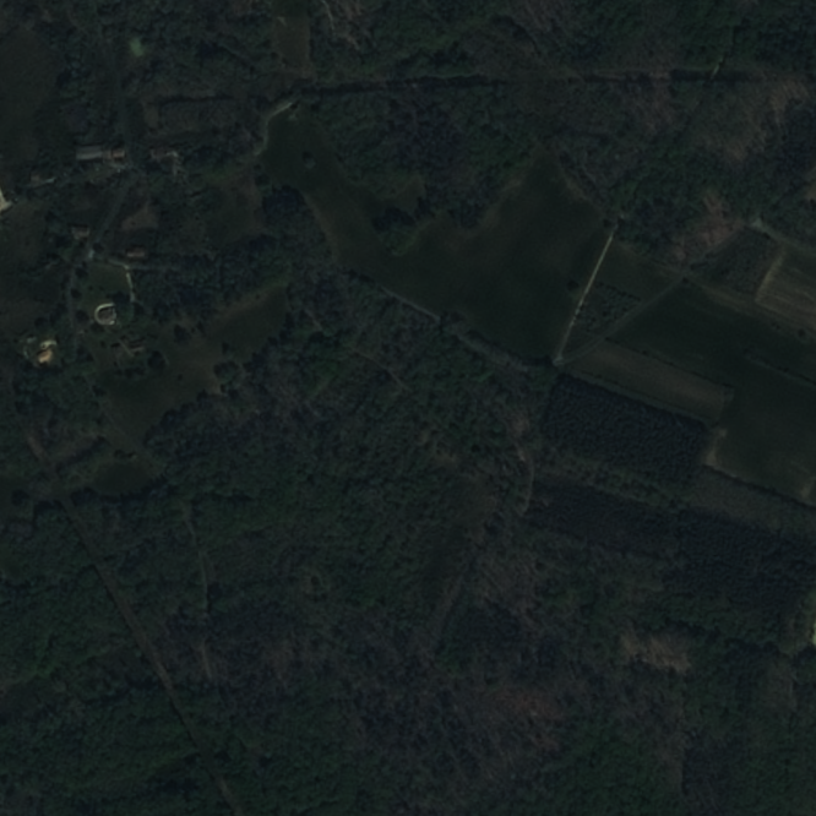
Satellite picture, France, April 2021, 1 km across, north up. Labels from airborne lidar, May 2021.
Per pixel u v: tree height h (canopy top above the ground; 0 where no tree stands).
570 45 15
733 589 23
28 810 18
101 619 26
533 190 0
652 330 0
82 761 23
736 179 21
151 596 24
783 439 0
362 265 0
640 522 7
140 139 7
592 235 0
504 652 19
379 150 18
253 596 20
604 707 13
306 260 18
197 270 22
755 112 28
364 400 7
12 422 20
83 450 7
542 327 0
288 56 0
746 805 17
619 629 21
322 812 24
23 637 22
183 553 24
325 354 23
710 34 21
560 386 14
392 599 11
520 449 11
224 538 23
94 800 16
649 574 18
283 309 0
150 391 0
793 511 19
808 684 21
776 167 15
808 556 22
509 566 13
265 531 14
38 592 15
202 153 7
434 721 15
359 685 14
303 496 17
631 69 10
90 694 17
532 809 19
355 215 0
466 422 20
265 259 21
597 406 21
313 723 16
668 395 0
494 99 20
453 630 17
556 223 0
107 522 13
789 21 17
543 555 14
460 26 26
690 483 16
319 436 17
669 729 18
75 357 17
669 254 15
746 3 28
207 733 19
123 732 26
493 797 15
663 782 14
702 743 15
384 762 12
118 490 0
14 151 0
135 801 19
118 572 26
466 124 21
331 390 6
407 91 27
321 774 18
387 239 16
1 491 0
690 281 7
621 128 11
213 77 19
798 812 20
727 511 13
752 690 27
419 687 24
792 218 18
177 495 26
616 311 6
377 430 8
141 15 24
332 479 15
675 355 0
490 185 18
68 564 23
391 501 12
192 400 0
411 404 6
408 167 25
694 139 23
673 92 13
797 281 0
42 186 6
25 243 0
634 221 12
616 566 13
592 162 14
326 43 17
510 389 6
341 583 13
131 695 14
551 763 20
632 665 19
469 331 9
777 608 21
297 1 0
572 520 7
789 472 0
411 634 12
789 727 9
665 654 21
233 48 12
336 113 17
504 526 15
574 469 12
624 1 20
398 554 12
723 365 0
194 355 0
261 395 23
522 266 0
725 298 0
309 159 12
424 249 0
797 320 0
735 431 0
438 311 0
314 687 18
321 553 12
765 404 0
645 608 6
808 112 24
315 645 11
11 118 0
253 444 23
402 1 21
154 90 8
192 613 22
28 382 13
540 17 13
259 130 9
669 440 22
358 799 17
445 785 10
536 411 15
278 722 20
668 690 18
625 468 19
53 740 18
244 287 21
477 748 13
